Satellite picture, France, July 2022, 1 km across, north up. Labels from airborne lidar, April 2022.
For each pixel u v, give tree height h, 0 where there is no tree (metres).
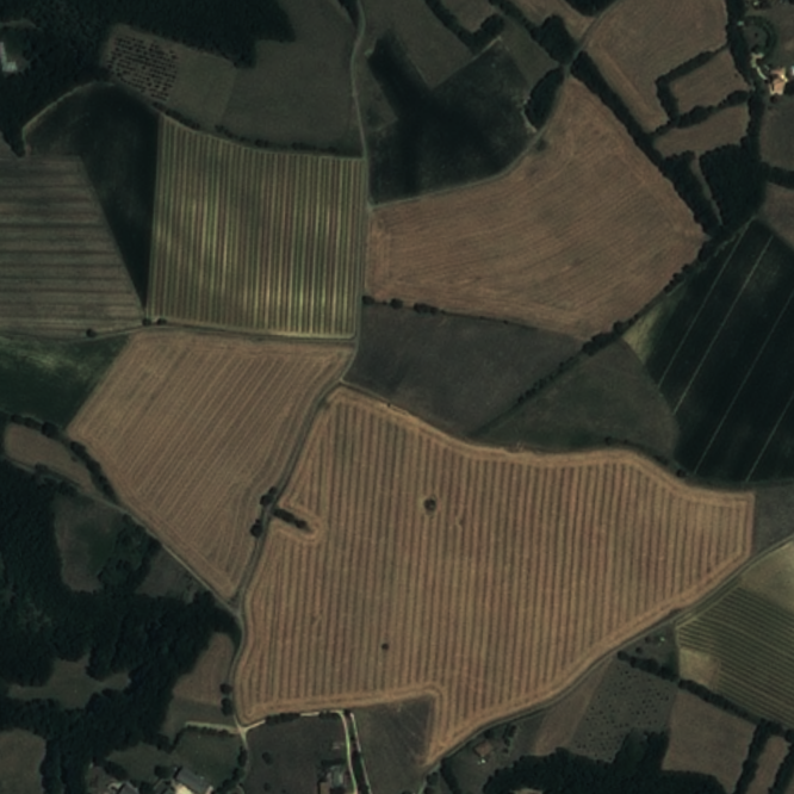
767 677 0
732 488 0
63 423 0
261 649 0
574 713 0
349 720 0
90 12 12
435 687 0
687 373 0
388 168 0
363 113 0
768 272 0
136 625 19
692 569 0
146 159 0
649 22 0
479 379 0
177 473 0
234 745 0
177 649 22
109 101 0
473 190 0
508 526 0
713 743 0
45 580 11
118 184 0
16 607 11
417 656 0
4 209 0
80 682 0
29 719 22
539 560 0
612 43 0
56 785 15
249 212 0
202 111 0
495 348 0
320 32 0
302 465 0
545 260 0
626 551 0
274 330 0
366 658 0
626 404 0
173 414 0
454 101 0
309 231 0
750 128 7
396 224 0
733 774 0
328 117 0
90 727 22
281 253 0
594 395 0
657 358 0
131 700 22
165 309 0
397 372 0
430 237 0
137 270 0
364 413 0
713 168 17
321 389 0
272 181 0
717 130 0
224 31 19
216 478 0
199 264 0
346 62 0
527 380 0
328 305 0
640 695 0
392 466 0
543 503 0
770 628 0
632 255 0
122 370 0
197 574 0
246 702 0
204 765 0
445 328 0
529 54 0
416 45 0
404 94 0
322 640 0
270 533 0
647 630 0
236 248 0
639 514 0
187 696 0
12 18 11
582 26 0
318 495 0
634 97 0
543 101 13
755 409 0
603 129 0
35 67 13
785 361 0
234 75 0
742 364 0
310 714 0
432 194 0
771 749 0
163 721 10
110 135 0
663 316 0
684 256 0
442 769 8
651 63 0
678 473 8
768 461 0
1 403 0
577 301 0
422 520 0
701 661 0
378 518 0
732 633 0
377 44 0
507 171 0
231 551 0
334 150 8
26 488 20
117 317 0
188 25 17
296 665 0
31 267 0
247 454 0
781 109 0
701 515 0
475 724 0
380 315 0
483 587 0
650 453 0
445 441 0
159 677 16
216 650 0
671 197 0
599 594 0
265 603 0
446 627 0
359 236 0
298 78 0
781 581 0
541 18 0
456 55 0
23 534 17
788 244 0
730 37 10
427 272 0
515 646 0
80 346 0
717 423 0
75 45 17
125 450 0
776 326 0
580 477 0
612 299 0
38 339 0
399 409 0
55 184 0
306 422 0
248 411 0
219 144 0
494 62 0
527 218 0
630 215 0
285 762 0
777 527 0
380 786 0
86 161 0
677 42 0
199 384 0
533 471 0
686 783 8
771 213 0
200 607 16
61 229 0
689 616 0
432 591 0
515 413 0
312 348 0
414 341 0
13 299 0
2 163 0
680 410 0
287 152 0
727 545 0
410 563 0
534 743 0
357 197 0
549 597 0
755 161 16
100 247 0
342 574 0
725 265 0
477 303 0
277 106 0
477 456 0
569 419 0
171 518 0
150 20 18
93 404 0
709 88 0
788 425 0
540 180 0
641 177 0
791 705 0
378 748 0
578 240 0
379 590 0
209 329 0
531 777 21
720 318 0
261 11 14
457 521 0
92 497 0
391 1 0
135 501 0
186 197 0
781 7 0
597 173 0
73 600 12
